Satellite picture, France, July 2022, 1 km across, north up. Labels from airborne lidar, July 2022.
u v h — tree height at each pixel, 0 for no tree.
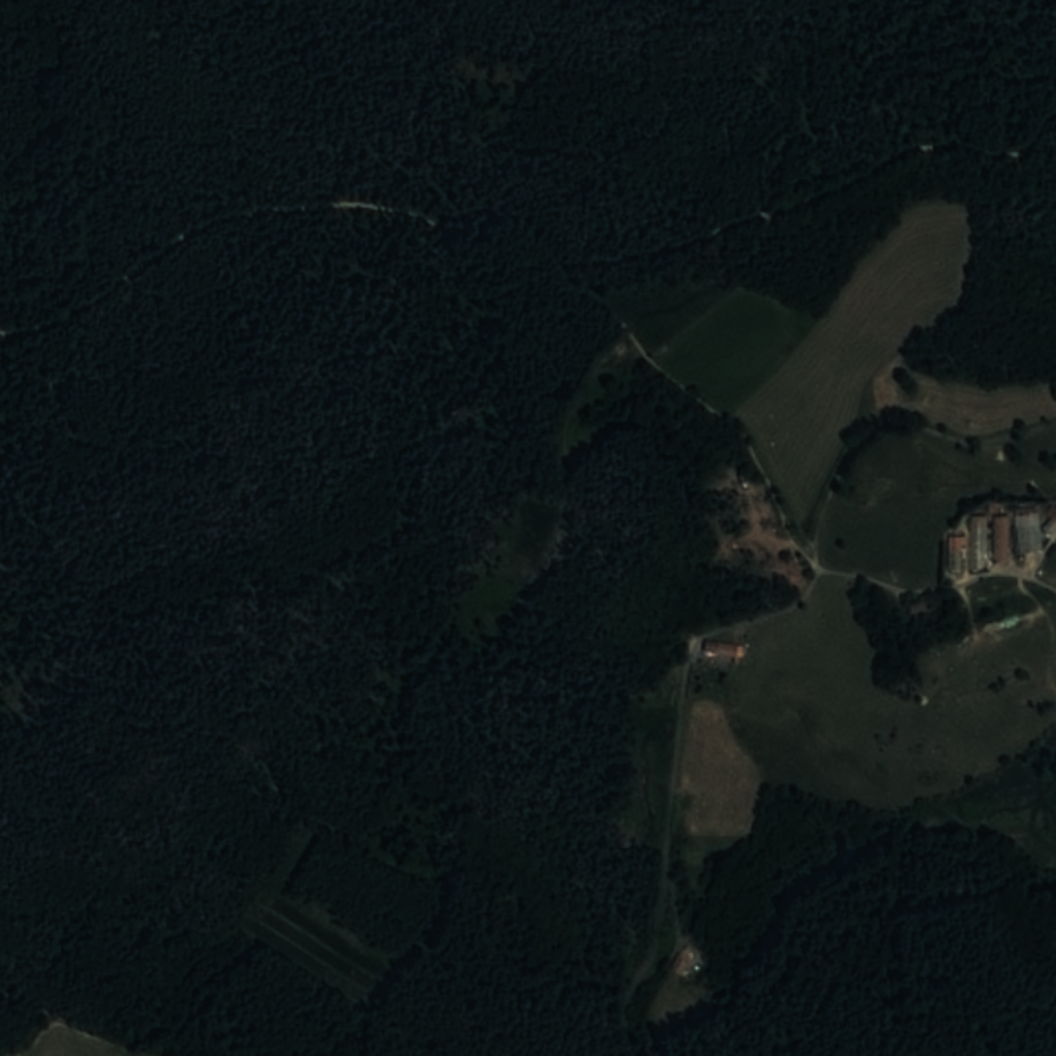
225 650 22
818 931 25
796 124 17
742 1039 27
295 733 23
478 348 24
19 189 28
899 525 0
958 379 14
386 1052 28
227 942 25
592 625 23
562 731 30
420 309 13
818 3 34
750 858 8
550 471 38
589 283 20
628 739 44
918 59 26
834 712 0
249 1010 30
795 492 0
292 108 25
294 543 16
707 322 0
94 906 15
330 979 0
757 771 0
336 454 17
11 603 26
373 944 20
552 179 18
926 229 0
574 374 41
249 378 16
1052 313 18
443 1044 30
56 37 18
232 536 18
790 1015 23
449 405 13
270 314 22
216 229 17
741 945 11
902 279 0
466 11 25
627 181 16
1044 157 19
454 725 31
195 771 17
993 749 0
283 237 17
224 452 23
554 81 17
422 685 28
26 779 25
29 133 26
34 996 23
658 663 22
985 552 0
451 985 38
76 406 22
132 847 25
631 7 21
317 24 29
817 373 0
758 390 0
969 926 41
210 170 22
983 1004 36
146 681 24
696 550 23
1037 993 37
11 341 15
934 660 0
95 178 18
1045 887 7
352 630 30
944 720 0
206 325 22
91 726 24
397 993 29
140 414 18
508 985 38
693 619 17
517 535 0
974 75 15
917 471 0
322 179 26
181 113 20
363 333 9
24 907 22
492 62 18
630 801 40
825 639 0
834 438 0
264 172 20
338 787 25
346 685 30
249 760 15
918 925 32
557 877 20
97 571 29
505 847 16
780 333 0
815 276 20
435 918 20
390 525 16
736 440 14
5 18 20
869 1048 29
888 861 20
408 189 25
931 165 17
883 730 0
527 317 36
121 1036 18
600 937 18
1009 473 0
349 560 31
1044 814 0
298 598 33
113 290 18
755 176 16
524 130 15
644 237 22
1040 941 26
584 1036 39
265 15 27
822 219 23
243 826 22
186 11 19
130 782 19
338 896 22
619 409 16
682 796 0
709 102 17
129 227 25
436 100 24
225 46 22
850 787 0
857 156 21
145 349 18
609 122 11
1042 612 0
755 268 20
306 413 29
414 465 26
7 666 18
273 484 30
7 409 24
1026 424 13
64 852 20
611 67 20
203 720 26
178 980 22
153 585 11
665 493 24
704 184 14
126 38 21
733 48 23
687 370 0
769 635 0
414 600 19
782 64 18
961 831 24
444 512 28
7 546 29
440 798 14
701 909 10
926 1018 27
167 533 26
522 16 31
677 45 17
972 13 27
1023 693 0
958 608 12
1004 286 19
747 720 0
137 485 26
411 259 13
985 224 18
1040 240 15
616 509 27
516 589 0
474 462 29
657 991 7
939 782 0
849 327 0
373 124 21
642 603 15
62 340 17
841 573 0
